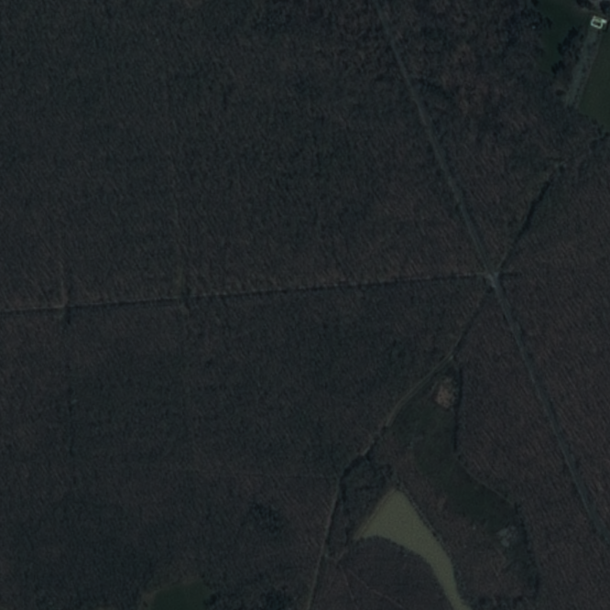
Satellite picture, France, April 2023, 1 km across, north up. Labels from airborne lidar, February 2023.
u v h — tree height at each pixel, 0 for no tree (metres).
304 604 19
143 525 26
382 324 27
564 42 0
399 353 22
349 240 27
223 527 23
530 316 21
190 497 23
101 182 27
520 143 15
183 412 25
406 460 12
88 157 26
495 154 24
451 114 16
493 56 17
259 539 18
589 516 19
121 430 24
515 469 20
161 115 27
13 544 23
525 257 23
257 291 19
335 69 25
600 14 0
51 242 24
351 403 24
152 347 25
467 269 21
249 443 25
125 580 25
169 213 27
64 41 21
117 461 25
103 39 25
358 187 26
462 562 15
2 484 20
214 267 23
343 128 27
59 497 23
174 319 23
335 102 19
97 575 26
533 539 17
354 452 17
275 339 25
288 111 24
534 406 23
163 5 22
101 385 23
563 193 17
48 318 21
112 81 24
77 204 26
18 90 24
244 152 20
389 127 27
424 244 23
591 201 22
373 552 13
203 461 24
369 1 21
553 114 27
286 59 23
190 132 26
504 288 19
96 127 26
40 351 23
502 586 16
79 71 26
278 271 23
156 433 24
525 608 21
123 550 26
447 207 28
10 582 21
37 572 20
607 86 0
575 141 24
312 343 22
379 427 20
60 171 22
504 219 26
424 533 0
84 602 24
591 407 23
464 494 0
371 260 28
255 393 22
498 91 24
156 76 23
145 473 23
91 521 24
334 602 12
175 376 22
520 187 22
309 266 28
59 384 21
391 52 15
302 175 25
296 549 24
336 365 23
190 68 25
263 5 19
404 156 26
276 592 20
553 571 18
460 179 24
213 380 23
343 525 12
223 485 22
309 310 22
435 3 22
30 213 20
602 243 22
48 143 24
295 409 28
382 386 22
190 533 25
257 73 24
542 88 19
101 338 26
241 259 24
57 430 24
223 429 23
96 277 24
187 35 19
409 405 0
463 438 18
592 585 20
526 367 19
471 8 23
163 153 26
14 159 23
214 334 23
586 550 20
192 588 0
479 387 19
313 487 23
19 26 21
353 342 21
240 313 22
